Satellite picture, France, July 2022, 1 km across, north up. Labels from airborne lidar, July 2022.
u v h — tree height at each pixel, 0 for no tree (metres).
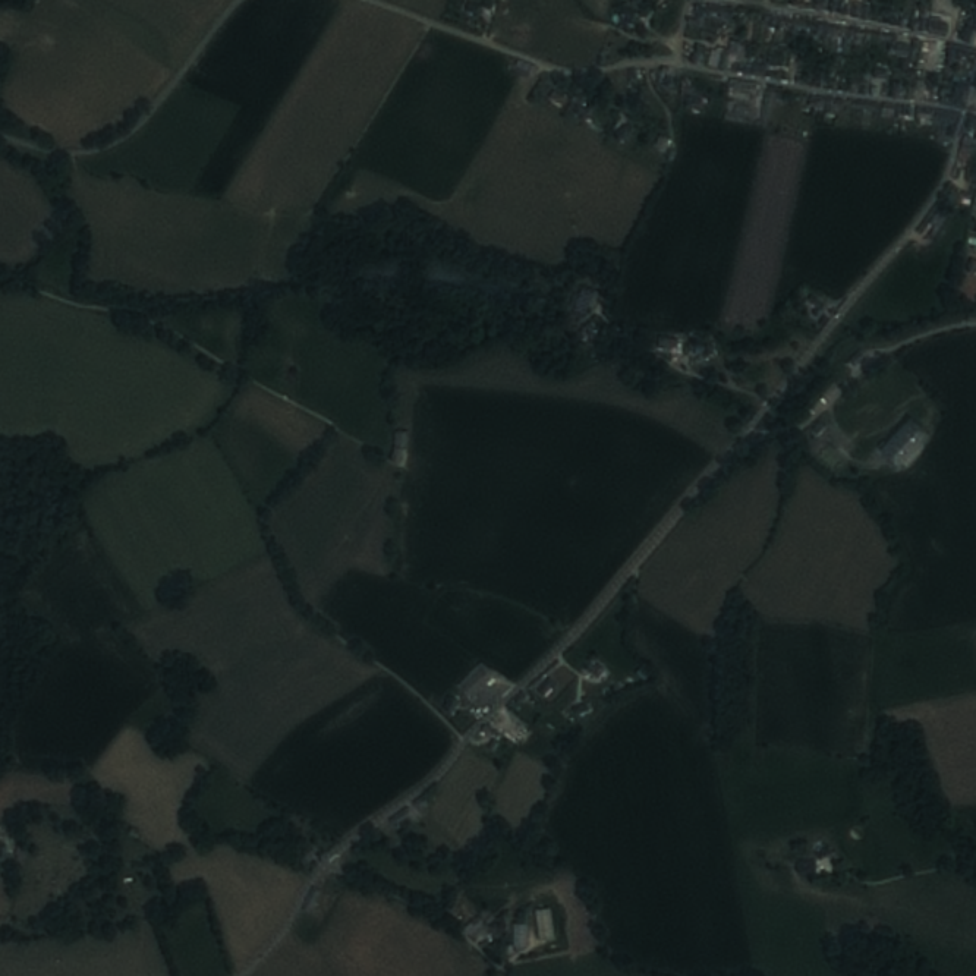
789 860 0
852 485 8
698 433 0
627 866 0
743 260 0
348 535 0
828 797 0
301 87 0
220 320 0
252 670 0
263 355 0
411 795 0
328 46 0
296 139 0
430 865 6
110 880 8
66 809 0
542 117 0
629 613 13
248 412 0
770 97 0
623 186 0
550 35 0
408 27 0
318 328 0
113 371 0
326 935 0
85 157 0
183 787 0
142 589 0
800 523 0
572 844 0
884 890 0
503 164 0
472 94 0
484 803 19
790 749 0
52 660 17
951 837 8
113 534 0
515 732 0
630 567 0
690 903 0
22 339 0
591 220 0
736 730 18
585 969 0
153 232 0
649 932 0
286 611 0
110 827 19
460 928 13
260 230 0
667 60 0
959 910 0
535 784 0
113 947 0
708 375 19
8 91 0
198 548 0
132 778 0
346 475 0
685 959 0
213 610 0
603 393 0
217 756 0
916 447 0
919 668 0
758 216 0
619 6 7
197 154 0
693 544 0
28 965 0
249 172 0
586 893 16
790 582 0
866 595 0
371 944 0
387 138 0
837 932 0
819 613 0
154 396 0
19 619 21
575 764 0
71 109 0
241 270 0
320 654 0
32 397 0
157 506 0
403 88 0
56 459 18
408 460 0
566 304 15
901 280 0
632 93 0
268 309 29
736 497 0
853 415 0
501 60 0
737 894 0
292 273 18
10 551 7
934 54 0
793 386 14
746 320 0
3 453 17
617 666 0
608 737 0
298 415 0
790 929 0
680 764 0
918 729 11
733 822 0
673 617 0
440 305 13
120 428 0
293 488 16
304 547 0
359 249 14
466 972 0
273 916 0
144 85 0
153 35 0
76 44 0
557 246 0
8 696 23
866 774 10
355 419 0
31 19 0
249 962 0
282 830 14
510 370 0
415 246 22
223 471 0
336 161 0
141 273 0
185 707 20
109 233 0
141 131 0
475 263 25
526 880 0
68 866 0
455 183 0
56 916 20
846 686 0
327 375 0
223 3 0
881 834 0
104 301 10
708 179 0
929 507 0
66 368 0
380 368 0
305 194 0
